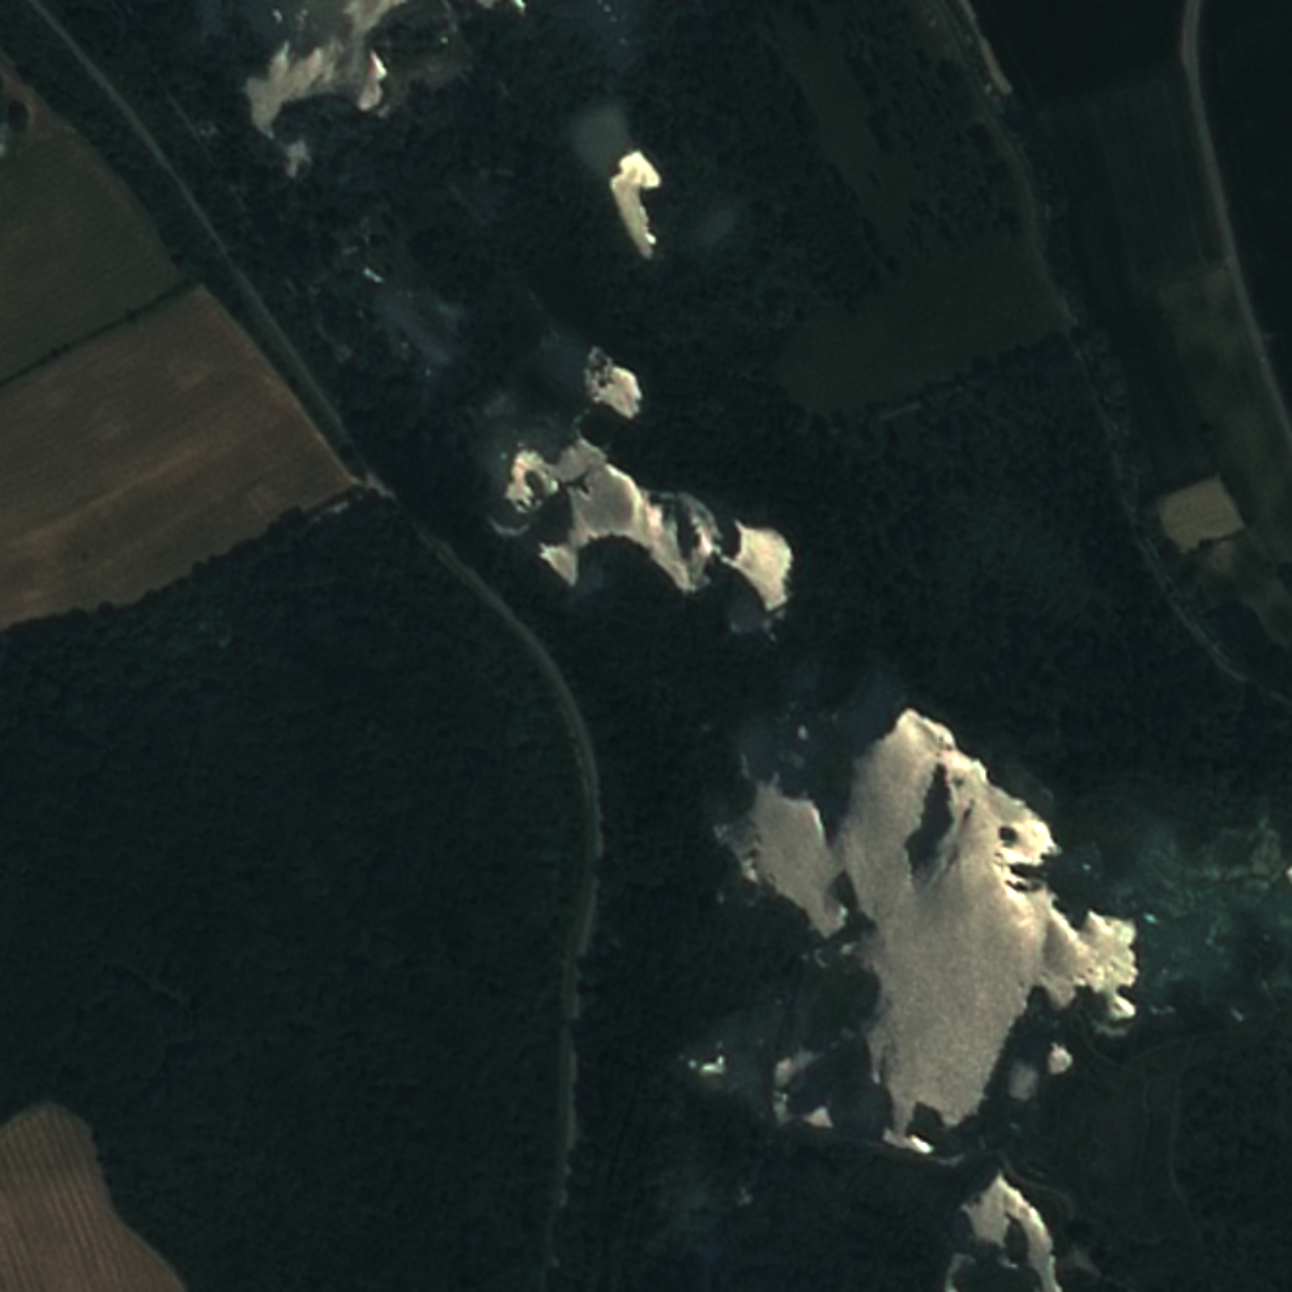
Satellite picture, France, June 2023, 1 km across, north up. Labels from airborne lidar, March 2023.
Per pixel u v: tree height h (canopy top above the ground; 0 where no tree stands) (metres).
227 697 20
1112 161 0
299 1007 17
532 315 0
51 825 24
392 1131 23
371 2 0
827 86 0
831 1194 18
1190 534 0
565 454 0
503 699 10
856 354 0
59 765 22
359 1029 26
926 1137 0
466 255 8
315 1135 21
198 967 20
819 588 6
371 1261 22
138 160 15
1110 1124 0
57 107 12
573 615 10
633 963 11
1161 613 24
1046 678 27
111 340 0
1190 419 0
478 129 13
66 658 16
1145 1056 0
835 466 14
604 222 8
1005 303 0
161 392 0
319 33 0
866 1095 0
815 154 28
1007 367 15
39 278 0
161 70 22
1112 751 15
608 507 0
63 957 21
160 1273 0
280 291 10
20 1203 0
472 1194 17
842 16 0
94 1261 0
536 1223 21
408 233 0
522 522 0
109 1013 22
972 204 22
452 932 25
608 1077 35
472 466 30
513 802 18
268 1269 17
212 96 16
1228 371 0
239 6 9
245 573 9
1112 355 16
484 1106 17
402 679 22
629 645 10
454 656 20
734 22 31
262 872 24
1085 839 0
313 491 0
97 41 6
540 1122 16
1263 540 0
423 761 21
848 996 0
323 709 22
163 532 0
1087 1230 14
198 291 0
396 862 26
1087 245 0
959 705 9
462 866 22
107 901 22
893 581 7
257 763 20
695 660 11
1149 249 0
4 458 0
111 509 0
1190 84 0
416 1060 20
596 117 0
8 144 0
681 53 6
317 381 0
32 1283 0
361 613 22
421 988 24
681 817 7
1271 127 0
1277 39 0
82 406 0
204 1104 16
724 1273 16
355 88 0
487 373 10
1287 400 0
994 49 0
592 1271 11
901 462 26
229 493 0
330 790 26
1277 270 0
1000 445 21
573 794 8
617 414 0
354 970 22
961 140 19
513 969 16
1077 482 17
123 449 0
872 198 0
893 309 0
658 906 14
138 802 23
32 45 17
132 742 23
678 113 7
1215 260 0
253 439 0
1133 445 11
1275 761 14
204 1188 17
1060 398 24
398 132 11
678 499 0
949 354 0
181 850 24
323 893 25
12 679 24
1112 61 0
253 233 9
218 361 0
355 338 29
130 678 13
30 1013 22
